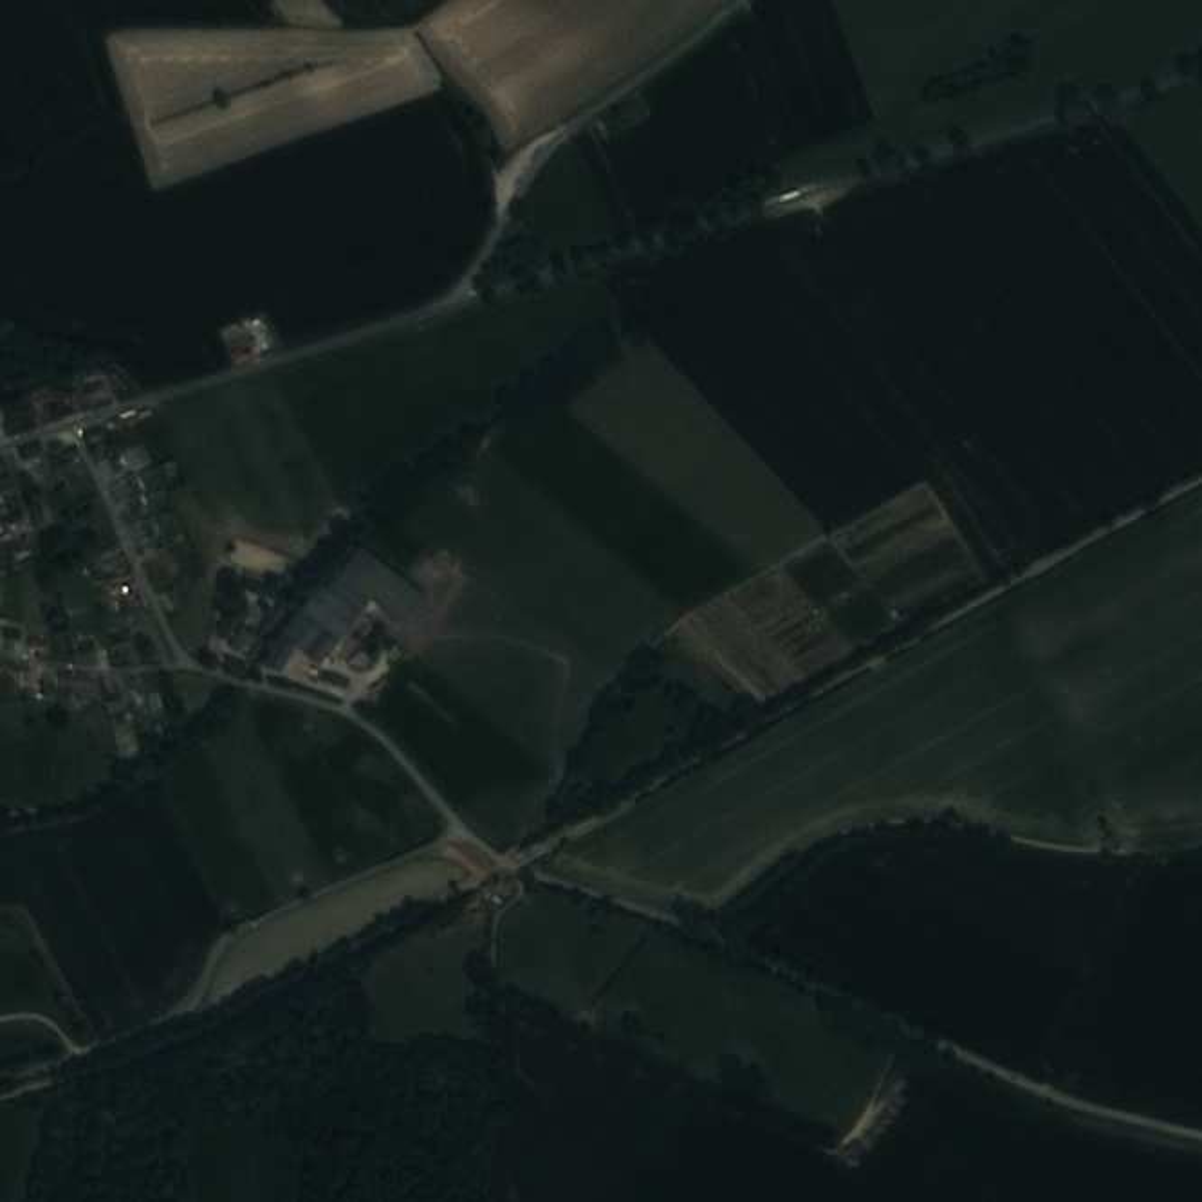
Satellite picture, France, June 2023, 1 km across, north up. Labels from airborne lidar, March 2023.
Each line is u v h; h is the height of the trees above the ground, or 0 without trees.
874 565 0
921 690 0
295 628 0
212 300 0
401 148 0
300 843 0
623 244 17
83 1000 0
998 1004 0
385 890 0
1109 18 0
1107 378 0
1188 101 0
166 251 0
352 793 0
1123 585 0
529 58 0
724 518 0
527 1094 0
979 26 0
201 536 0
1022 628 0
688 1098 0
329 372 0
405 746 0
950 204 0
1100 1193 0
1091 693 0
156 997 0
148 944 0
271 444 0
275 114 0
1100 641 0
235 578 23
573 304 0
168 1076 27
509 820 0
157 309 0
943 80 7
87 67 0
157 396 0
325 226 0
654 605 0
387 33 0
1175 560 0
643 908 0
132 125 0
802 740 0
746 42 0
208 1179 0
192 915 0
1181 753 0
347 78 0
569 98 0
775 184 14
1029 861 0
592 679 0
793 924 0
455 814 0
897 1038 24
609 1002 0
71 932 0
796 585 0
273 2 0
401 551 0
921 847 0
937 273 0
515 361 0
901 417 0
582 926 0
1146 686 0
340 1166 13
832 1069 0
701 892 0
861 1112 0
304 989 19
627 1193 0
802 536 0
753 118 0
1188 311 0
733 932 27
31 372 14
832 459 0
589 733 7
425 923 9
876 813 0
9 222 0
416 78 0
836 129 0
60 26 0
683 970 0
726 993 0
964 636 0
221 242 0
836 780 0
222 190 0
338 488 0
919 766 0
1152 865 0
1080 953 0
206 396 0
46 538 8
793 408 0
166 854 0
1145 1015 0
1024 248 0
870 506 0
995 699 0
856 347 0
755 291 0
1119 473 0
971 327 0
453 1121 12
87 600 0
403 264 0
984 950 0
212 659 14
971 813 0
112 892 0
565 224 0
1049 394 0
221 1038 22
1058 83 0
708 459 0
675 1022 0
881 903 0
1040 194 0
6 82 0
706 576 0
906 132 0
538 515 0
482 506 0
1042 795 0
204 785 0
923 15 0
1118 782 0
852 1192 0
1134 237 0
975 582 0
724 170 0
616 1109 0
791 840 0
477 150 0
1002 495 0
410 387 0
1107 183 0
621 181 0
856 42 0
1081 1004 0
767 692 0
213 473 0
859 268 0
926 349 0
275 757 0
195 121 0
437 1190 21
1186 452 0
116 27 0
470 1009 8
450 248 0
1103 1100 0
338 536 24
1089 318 0
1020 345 0
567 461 0
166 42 0
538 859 0
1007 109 0
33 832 0
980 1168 0
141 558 0
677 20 0
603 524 0
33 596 0
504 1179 0
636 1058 0
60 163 0
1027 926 0
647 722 0
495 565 0
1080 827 0
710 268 0
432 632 0
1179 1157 0
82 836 0
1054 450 0
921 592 0
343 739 0
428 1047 20
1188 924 0
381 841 0
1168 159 0
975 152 0
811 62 0
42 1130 0
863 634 0
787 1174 0
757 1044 0
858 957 0
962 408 0
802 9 0
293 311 0
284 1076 26
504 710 0
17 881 0
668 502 0
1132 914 0
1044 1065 0
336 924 0
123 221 0
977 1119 0
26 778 0
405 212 0
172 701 9
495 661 0
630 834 0
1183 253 0
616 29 0
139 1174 24
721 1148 0
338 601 0
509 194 0
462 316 0
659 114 0
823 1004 18
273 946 0
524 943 0
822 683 8
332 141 0
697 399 0
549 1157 0
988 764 0
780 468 0
